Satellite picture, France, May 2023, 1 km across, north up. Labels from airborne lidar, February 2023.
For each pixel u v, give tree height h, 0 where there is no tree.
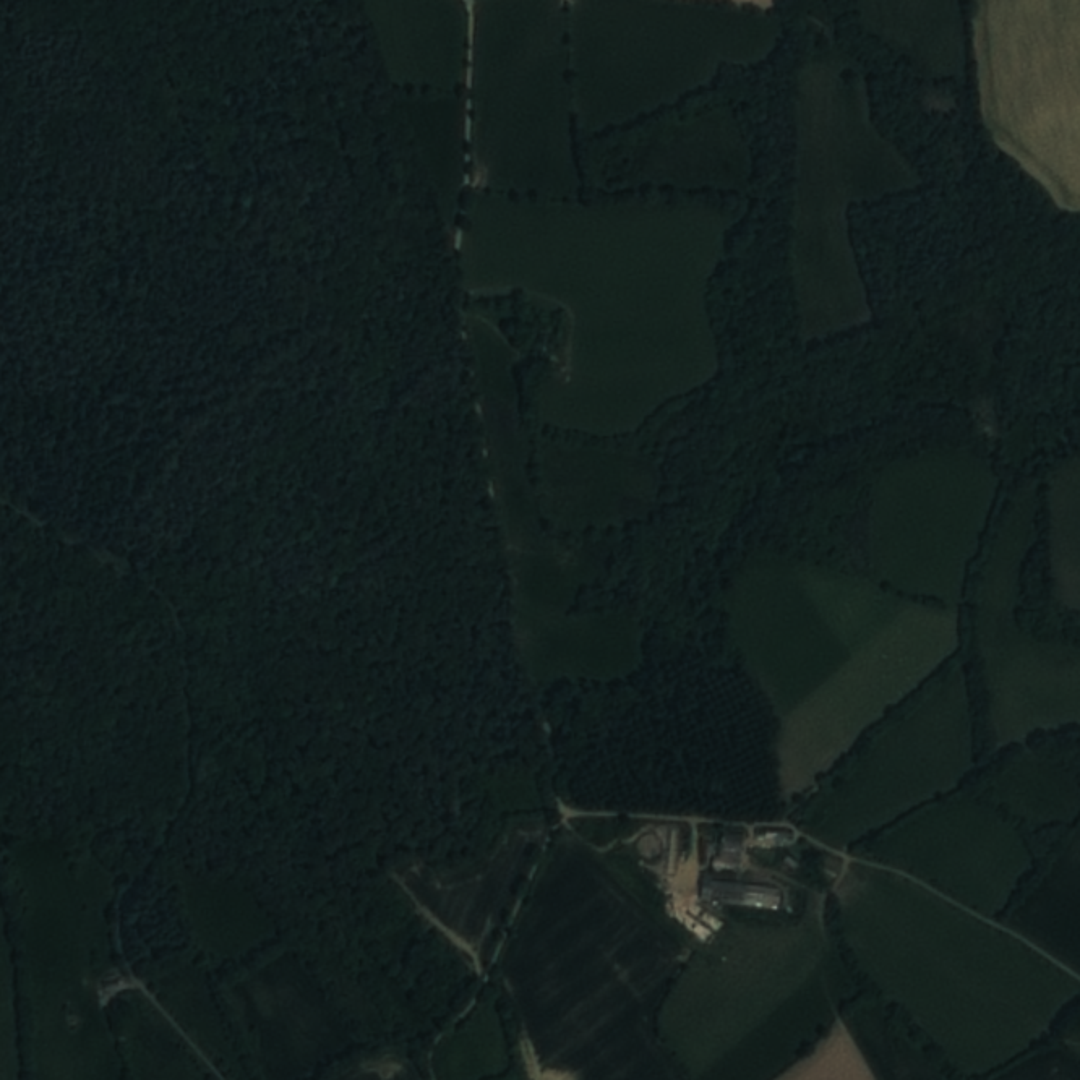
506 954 0
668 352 0
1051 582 12
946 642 0
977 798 9
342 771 23
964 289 19
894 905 0
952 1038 0
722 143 0
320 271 21
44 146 18
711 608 13
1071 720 0
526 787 0
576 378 0
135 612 13
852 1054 0
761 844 0
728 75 14
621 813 29
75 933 0
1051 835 11
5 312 28
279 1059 0
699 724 36
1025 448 0
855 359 12
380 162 31
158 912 24
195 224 28
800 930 0
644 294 0
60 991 0
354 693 21
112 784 22
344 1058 11
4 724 20
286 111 23
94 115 21
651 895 0
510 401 0
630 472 0
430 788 25
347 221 22
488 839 8
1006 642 0
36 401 18
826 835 0
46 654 19
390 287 19
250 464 17
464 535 19
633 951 0
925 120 17
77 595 17
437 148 0
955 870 0
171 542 18
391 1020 9
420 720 24
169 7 20
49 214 23
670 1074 0
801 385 9
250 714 21
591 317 0
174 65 19
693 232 0
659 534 10
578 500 0
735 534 12
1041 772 0
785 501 18
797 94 15
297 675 21
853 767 8
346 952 8
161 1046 0
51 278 22
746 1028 0
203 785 18
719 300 10
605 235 0
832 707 0
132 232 20
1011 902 8
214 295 26
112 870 14
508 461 0
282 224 23
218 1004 10
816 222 0
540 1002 0
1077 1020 18
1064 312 13
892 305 18
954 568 0
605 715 18
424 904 0
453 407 20
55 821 21
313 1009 0
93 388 19
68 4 19
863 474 6
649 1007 0
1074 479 0
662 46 0
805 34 15
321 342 22
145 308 25
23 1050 14
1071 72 0
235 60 19
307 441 15
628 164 8
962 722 0
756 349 15
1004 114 0
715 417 11
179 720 17
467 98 11
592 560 0
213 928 0
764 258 17
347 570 19
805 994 0
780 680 0
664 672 24
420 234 22
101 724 21
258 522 18
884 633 0
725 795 32
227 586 12
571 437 8
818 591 0
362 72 21
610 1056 0
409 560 18
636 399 0
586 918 0
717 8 13
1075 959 0
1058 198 0
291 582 22
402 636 20
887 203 13
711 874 9
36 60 23
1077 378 15
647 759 11
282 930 13
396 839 25
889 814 0
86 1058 0
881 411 10
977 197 18
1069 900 0
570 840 0
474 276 0
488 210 0
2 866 8
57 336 25
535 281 0
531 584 0
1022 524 0
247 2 15
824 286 0
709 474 10
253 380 25
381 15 0
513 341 18
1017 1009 0
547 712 22
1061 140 0
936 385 6
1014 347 15
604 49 0
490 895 0
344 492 19
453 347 24
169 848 18
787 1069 0
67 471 15
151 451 25
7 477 24
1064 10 0
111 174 19
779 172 16
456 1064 0
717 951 0
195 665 13
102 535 22
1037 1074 0
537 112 0
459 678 20
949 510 0
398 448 16
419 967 14
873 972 0
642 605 11
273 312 25
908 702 8
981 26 0
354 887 21
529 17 0
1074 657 0
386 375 10
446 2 0
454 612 20
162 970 10
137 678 19
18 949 10
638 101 0
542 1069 0
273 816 21
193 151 29
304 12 6
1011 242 21
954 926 0
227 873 20
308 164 23
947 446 16
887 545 0
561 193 0
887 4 0
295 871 21
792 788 0
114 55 21
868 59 13
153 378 26
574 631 0
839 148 0
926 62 0
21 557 16
